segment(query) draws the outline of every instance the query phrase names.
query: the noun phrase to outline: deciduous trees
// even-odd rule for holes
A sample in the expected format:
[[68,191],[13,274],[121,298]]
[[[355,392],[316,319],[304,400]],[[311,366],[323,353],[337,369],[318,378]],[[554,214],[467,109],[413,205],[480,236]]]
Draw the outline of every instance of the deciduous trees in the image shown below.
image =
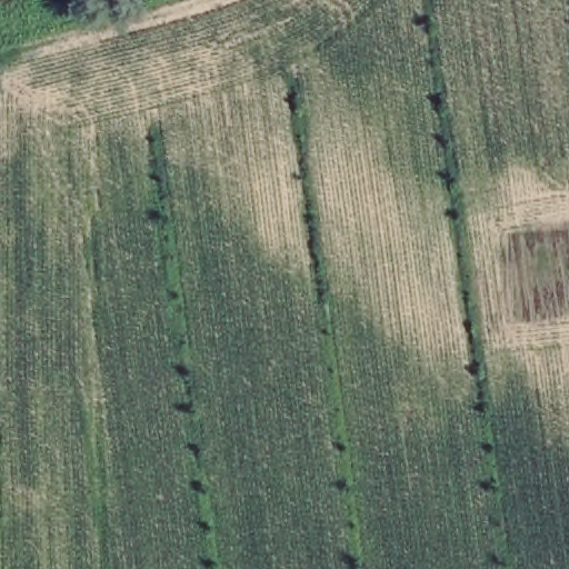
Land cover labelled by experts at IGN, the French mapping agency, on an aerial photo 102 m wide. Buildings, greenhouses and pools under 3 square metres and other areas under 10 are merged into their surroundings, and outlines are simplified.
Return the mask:
[[76,16],[76,22],[80,24],[76,31],[104,31],[113,27],[116,36],[129,31],[127,22],[140,20],[144,16],[140,7],[144,0],[69,0],[67,13]]

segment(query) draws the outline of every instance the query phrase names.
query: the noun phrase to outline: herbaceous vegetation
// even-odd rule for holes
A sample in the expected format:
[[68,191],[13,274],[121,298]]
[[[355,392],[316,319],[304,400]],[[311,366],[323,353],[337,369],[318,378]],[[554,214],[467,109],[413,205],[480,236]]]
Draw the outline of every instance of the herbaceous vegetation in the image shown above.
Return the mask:
[[498,471],[498,462],[496,456],[487,453],[487,471],[493,480],[493,487],[498,489],[502,487],[502,478]]
[[209,560],[213,560],[213,569],[222,569],[222,556],[218,547],[218,522],[216,511],[211,507],[211,496],[200,493],[202,520],[209,525],[204,538],[204,553],[209,556]]
[[4,342],[7,329],[4,298],[7,293],[16,293],[16,280],[7,278],[7,271],[0,269],[0,342]]
[[489,402],[489,382],[480,380],[473,373],[476,402],[485,402],[485,411],[480,411],[480,429],[485,440],[491,442],[496,407]]
[[333,373],[329,378],[329,396],[331,405],[338,409],[338,416],[333,420],[333,433],[345,445],[345,451],[340,453],[340,471],[347,485],[342,491],[347,496],[347,516],[353,522],[353,529],[347,529],[351,542],[349,553],[358,562],[362,562],[367,560],[367,553],[360,540],[362,520],[358,513],[358,480],[351,465],[353,442],[347,427],[340,376]]
[[167,200],[171,198],[171,182],[167,176],[167,144],[162,127],[156,122],[147,131],[149,173],[156,171],[158,176],[162,176],[156,182],[156,191],[160,200]]
[[429,58],[438,64],[429,67],[431,87],[442,100],[447,100],[438,29],[436,22],[431,22],[431,31],[427,31],[427,44]]
[[60,40],[58,33],[76,31],[80,24],[76,22],[76,16],[67,13],[69,0],[0,0],[0,76],[4,69],[20,64],[24,58],[38,56],[36,49]]
[[296,78],[287,87],[287,104],[298,158],[298,180],[302,189],[302,222],[307,231],[307,249],[311,258],[316,300],[325,302],[325,293],[331,287],[327,280],[327,262],[320,242],[320,216],[313,191],[313,178],[309,169],[309,116],[307,109],[300,104],[302,82]]
[[184,287],[180,278],[180,253],[176,242],[167,242],[167,282],[171,287],[171,291],[167,293],[171,300],[169,320],[173,331],[187,333],[189,322]]
[[449,233],[456,253],[458,293],[460,302],[469,307],[469,320],[473,331],[473,336],[467,340],[469,362],[485,365],[480,309],[471,280],[471,240],[465,216],[462,189],[456,182],[453,187],[445,189],[445,198],[447,209],[456,209],[460,213],[460,218],[449,220]]
[[453,138],[453,118],[445,102],[440,109],[436,109],[436,133],[445,136],[447,140],[447,147],[440,149],[445,162],[442,169],[458,180],[460,171]]

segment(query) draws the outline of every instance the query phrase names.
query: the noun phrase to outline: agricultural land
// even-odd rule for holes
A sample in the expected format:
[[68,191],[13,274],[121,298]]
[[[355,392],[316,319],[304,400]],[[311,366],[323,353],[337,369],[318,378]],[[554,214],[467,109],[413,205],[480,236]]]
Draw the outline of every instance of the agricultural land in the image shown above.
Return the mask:
[[[427,44],[427,31],[431,31],[431,22],[436,22],[438,29],[447,100],[442,100],[431,87],[429,67],[438,64],[429,58]],[[311,258],[307,249],[307,231],[302,222],[302,189],[298,180],[298,158],[287,104],[287,87],[296,78],[302,82],[300,104],[307,109],[309,116],[309,169],[313,178],[313,191],[320,216],[320,242],[327,262],[327,280],[331,287],[325,293],[325,302],[316,300]],[[436,109],[440,109],[445,102],[453,118],[453,138],[460,171],[458,180],[442,169],[445,162],[440,149],[447,147],[447,140],[445,136],[436,133]],[[147,131],[156,122],[162,127],[167,144],[167,176],[171,182],[171,198],[167,200],[160,200],[156,191],[156,182],[162,176],[158,176],[156,171],[149,173]],[[465,216],[471,240],[471,280],[480,309],[485,365],[469,362],[467,340],[473,336],[473,331],[469,320],[469,307],[460,302],[458,293],[456,253],[449,233],[449,220],[460,218],[460,213],[456,209],[447,209],[445,198],[445,189],[453,187],[456,182],[462,189]],[[180,278],[184,287],[189,322],[187,333],[173,331],[169,320],[171,300],[167,293],[171,291],[171,287],[167,282],[167,242],[176,242],[180,253]],[[7,329],[4,342],[0,342],[0,569],[213,569],[213,560],[209,560],[209,556],[204,553],[204,538],[209,525],[202,520],[200,493],[211,496],[211,507],[216,511],[218,522],[218,547],[222,556],[222,569],[569,569],[569,0],[238,0],[220,4],[204,13],[129,31],[116,36],[102,40],[98,47],[78,47],[47,58],[38,56],[24,58],[20,64],[4,69],[0,76],[0,269],[7,271],[7,278],[16,280],[16,293],[7,293],[4,298]],[[347,427],[353,442],[351,465],[358,480],[358,513],[362,520],[360,540],[367,553],[367,560],[362,562],[358,562],[349,553],[351,542],[347,529],[353,529],[353,522],[347,516],[347,496],[342,491],[347,485],[340,471],[340,453],[345,451],[345,445],[333,433],[333,420],[338,416],[338,409],[331,405],[329,396],[329,378],[333,373],[340,376]],[[473,373],[480,380],[489,382],[489,402],[496,407],[491,442],[485,440],[480,429],[480,411],[485,411],[485,402],[476,402]],[[502,487],[498,489],[493,487],[493,480],[487,471],[487,453],[496,456],[498,462],[498,471],[502,478]]]

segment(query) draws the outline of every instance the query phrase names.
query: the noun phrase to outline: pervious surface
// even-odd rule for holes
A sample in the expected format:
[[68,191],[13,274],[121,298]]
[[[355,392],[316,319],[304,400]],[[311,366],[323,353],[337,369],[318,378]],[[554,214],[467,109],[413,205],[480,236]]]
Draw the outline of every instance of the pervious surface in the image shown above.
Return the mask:
[[76,31],[58,33],[60,40],[36,49],[38,56],[47,58],[78,47],[98,47],[102,40],[116,36],[113,27],[104,31]]
[[127,22],[129,31],[204,13],[220,4],[238,0],[144,0],[140,7],[144,16],[140,20]]

